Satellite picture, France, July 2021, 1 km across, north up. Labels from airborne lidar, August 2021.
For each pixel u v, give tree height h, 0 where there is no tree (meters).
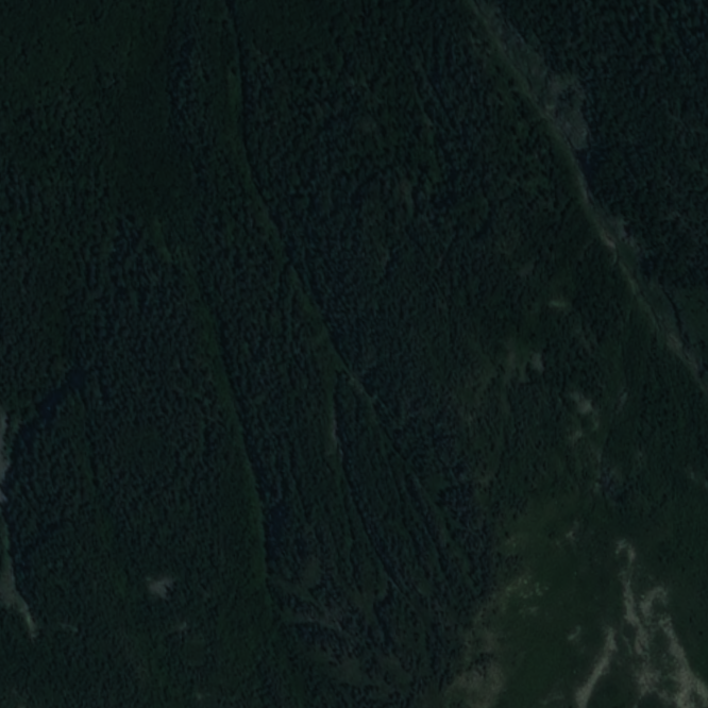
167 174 13
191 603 11
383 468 10
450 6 20
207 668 9
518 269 10
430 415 10
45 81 23
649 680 0
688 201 8
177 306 26
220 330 8
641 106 17
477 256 16
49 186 19
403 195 8
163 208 10
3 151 13
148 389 15
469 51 11
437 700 0
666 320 0
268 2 25
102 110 34
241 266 18
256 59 21
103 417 22
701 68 19
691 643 0
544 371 7
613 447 6
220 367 6
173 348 29
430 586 0
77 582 9
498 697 0
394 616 9
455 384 8
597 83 12
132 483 10
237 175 21
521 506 13
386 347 9
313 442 10
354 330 13
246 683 8
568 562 0
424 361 6
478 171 21
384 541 9
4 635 8
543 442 13
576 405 9
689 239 14
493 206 11
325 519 8
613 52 18
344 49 16
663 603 0
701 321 0
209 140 23
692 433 7
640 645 0
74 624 10
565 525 0
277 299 17
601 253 11
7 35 29
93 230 21
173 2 15
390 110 18
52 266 25
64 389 8
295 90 8
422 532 7
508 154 9
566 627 0
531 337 6
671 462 7
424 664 9
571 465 8
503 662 0
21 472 15
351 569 13
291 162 20
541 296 14
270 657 8
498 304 7
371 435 12
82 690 9
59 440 13
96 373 18
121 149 18
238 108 9
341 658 12
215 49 26
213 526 6
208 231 22
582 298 15
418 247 13
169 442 9
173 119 20
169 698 8
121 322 30
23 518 23
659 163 9
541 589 0
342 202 11
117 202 11
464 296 14
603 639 0
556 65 13
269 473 7
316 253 12
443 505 15
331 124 6
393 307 12
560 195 33
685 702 0
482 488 12
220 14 23
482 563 8
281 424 10
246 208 18
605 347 9
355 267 13
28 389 25
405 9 24
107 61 25
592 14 15
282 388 11
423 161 10
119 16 27
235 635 6
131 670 7
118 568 7
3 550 9
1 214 11
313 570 0
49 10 30
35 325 27
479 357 8
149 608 9
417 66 23
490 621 7
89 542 17
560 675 0
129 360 26
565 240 19
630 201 10
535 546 0
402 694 10
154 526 10
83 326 22
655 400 6
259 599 10
